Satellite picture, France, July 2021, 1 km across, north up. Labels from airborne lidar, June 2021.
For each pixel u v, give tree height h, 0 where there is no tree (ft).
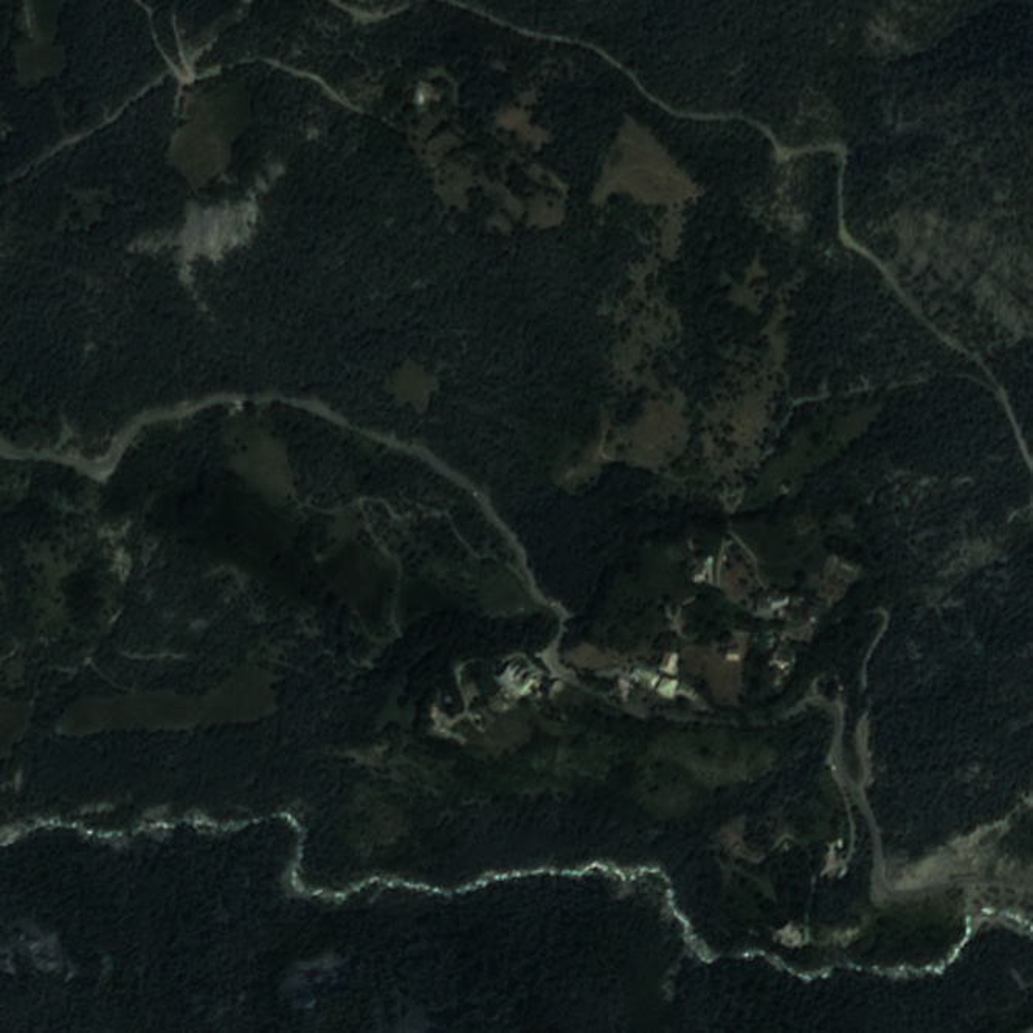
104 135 24
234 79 38
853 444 38
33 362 33
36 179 24
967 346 23
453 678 42
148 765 29
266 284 30
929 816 21
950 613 22
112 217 39
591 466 0
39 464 26
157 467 25
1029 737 26
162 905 35
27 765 30
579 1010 44
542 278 23
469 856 26
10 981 31
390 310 29
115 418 23
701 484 18
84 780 25
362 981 25
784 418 27
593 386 23
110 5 24
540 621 56
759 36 35
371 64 26
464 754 19
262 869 43
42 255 29
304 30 23
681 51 29
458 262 30
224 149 0
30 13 0
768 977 37
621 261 24
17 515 30
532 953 55
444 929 44
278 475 0
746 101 38
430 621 47
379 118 25
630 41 25
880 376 19
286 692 38
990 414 29
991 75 19
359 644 36
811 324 49
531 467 22
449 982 27
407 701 43
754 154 24
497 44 27
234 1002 20
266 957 53
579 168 32
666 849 51
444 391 36
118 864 39
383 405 21
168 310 19
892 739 31
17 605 21
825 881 34
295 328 40
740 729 31
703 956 0
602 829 31
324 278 28
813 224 31
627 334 24
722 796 34
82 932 33
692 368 28
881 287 26
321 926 36
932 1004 21
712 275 55
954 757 30
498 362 27
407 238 24
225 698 0
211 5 35
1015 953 26
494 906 36
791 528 0
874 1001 23
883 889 0
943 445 29
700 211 38
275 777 39
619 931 21
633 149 0
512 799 39
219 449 40
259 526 0
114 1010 25
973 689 39
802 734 25
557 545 54
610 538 64
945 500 22
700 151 48
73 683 21
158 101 26
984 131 22
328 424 23
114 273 33
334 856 37
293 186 30
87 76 28
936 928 19
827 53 20
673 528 72
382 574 0
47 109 27
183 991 33
